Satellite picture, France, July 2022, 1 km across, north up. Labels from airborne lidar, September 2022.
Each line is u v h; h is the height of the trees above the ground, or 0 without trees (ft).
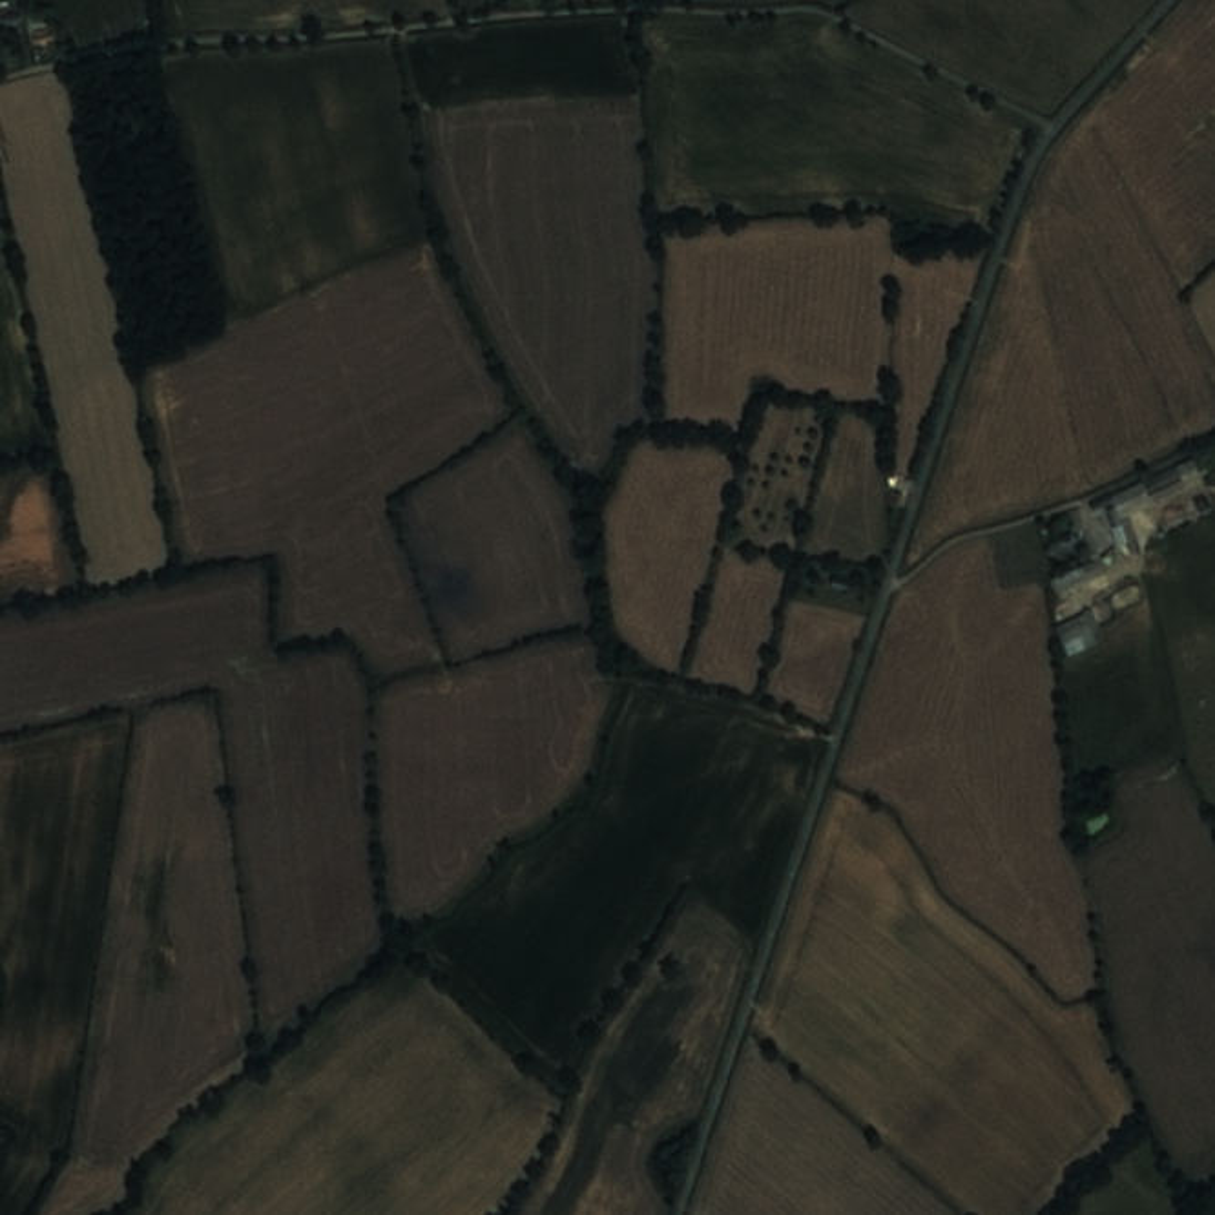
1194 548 0
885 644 0
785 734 0
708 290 0
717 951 0
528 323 0
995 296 0
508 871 0
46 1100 0
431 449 0
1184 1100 0
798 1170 0
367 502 0
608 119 0
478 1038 0
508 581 0
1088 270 0
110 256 61
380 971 60
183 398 0
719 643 0
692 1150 36
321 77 0
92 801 0
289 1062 0
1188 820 0
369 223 0
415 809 0
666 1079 0
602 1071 0
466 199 0
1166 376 0
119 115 64
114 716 23
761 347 0
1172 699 0
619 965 0
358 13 0
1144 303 0
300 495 0
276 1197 0
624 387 0
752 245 0
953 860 0
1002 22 0
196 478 0
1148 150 0
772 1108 0
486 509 0
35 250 0
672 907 24
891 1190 0
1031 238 0
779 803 0
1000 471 0
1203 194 0
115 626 0
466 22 46
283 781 0
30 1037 0
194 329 44
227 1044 0
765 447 0
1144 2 0
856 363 0
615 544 0
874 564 42
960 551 0
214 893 0
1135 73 0
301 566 0
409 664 0
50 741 0
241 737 0
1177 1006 0
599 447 0
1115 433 0
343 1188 0
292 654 49
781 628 18
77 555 45
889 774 0
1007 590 0
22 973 0
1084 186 0
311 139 0
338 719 0
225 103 0
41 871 0
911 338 0
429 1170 0
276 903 0
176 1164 0
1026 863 0
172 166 58
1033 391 0
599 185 0
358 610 0
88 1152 0
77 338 0
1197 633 0
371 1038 0
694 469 0
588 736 0
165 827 0
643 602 0
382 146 0
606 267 0
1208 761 0
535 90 0
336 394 0
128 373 41
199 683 0
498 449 0
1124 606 0
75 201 0
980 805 0
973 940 0
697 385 0
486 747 0
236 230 0
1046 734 0
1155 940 0
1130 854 0
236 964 0
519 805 0
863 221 36
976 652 0
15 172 0
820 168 0
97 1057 0
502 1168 0
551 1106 0
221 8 0
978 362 0
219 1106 46
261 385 0
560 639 23
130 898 0
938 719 0
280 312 0
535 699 0
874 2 0
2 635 0
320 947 0
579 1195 0
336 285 0
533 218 0
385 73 0
